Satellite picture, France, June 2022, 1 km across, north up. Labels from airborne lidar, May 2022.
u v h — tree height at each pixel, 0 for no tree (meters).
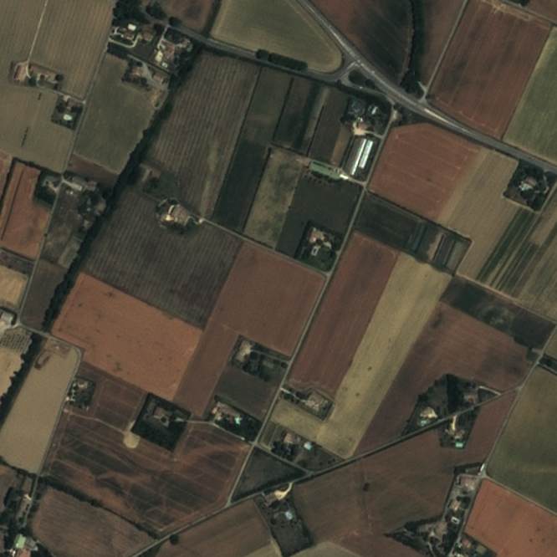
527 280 0
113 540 0
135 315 0
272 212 0
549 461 0
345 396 0
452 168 0
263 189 0
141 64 7
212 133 0
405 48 0
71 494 14
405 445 0
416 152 0
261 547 0
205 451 0
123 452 0
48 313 11
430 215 0
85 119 0
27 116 0
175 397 0
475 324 0
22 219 0
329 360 0
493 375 0
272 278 0
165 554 0
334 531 0
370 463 0
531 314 0
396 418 0
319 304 0
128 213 0
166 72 6
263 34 0
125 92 0
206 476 0
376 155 0
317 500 0
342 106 0
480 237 0
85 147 0
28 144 0
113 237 0
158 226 0
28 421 0
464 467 11
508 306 0
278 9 0
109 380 0
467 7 0
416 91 17
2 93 0
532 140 0
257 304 0
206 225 0
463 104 0
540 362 7
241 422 6
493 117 0
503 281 0
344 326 0
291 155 0
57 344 0
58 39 0
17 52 0
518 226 0
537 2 0
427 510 0
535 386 0
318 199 0
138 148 10
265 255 0
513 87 0
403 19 0
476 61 0
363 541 0
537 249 0
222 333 0
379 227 0
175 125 0
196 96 0
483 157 0
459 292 0
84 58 0
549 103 0
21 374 13
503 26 0
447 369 0
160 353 0
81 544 0
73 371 0
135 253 0
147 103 0
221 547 0
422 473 0
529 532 0
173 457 0
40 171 8
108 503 0
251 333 0
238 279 0
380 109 7
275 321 0
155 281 0
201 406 0
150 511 0
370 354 0
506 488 0
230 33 0
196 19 0
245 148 0
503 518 0
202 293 0
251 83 0
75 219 0
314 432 0
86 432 0
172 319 0
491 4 0
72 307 0
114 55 9
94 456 0
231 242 0
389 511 0
